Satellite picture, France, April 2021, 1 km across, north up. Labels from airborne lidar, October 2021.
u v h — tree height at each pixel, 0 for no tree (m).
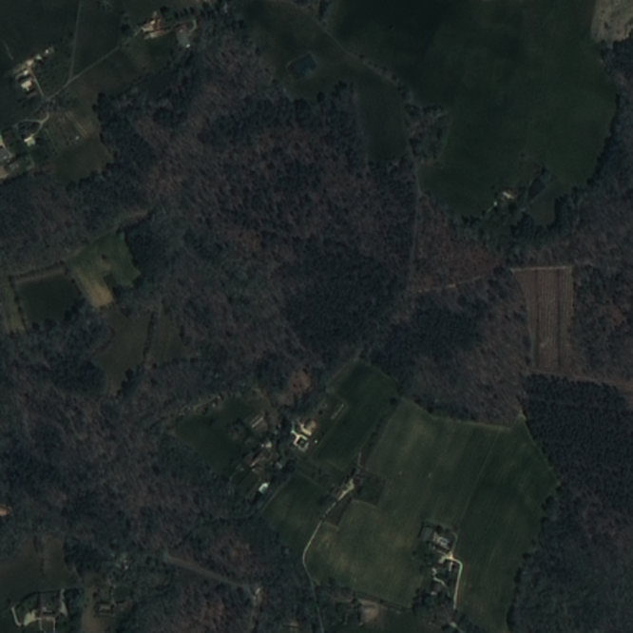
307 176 14
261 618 23
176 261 20
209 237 12
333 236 13
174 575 14
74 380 24
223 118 23
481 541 0
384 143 0
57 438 16
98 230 29
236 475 0
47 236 15
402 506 0
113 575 12
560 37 0
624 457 17
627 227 17
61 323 0
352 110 15
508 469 0
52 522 16
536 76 0
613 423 19
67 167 0
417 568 0
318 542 0
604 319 10
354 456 0
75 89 0
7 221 15
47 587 0
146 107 13
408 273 8
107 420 21
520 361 10
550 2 0
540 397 18
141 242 14
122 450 14
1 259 24
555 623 17
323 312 18
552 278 0
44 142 7
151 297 18
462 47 0
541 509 0
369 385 0
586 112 0
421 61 0
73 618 14
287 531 0
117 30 0
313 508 0
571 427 17
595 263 13
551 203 0
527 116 0
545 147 0
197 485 11
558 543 16
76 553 15
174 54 12
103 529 13
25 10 0
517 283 11
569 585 16
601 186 23
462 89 0
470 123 0
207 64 13
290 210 19
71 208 16
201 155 13
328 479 7
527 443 0
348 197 9
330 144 9
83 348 27
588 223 13
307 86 0
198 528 12
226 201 15
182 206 20
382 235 10
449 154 0
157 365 0
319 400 18
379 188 9
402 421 0
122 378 0
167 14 17
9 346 23
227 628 12
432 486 0
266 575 11
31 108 14
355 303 18
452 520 0
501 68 0
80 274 0
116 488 14
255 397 11
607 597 18
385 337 17
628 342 11
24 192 17
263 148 6
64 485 22
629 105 22
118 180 29
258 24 0
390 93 0
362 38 0
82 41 0
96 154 0
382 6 0
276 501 0
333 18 0
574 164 0
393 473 0
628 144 18
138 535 14
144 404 20
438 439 0
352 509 0
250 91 15
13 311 0
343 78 0
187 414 12
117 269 0
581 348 14
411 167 7
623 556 18
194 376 16
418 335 20
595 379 14
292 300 19
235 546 17
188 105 19
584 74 0
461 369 17
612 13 0
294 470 10
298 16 0
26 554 0
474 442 0
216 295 17
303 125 27
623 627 13
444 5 0
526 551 0
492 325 14
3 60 0
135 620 15
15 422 24
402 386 18
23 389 19
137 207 28
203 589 15
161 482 13
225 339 13
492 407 15
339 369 15
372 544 0
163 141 10
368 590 0
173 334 0
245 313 19
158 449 12
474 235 6
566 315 0
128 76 0
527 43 0
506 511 0
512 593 0
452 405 15
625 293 8
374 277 18
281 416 9
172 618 22
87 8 0
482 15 0
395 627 0
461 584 0
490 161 0
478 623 0
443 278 10
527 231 21
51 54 0
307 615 21
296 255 15
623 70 24
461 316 15
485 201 0
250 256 8
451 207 0
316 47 0
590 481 17
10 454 18
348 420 0
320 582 0
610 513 17
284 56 0
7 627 0
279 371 13
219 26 23
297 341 16
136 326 0
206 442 0
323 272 17
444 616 21
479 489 0
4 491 21
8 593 0
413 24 0
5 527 21
